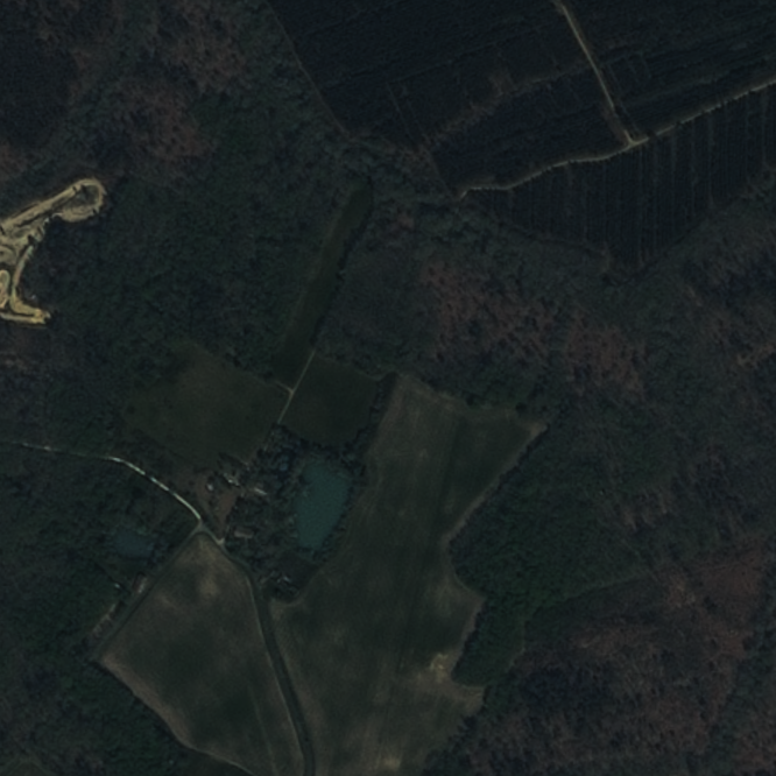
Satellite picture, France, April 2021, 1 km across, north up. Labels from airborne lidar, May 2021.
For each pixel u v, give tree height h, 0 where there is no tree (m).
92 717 10
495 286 8
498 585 21
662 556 18
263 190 21
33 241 0
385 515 0
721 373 17
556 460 16
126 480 13
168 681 0
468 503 0
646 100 11
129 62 14
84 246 17
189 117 11
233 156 18
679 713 13
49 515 25
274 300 20
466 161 11
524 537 23
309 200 22
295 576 6
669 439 22
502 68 10
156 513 10
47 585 18
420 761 0
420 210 14
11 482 22
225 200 24
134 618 0
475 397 14
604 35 13
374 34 13
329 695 0
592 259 19
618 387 9
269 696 0
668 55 11
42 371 12
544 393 23
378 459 0
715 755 17
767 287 22
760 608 6
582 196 12
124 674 0
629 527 17
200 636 0
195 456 0
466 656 12
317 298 0
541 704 20
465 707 0
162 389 0
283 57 15
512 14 14
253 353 17
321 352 17
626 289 17
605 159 0
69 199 0
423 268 14
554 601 13
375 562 0
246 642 0
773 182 20
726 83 10
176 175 12
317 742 0
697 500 18
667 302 21
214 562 0
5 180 10
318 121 23
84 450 21
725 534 19
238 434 0
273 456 11
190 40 9
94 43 20
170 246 17
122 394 15
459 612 0
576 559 16
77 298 19
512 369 16
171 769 14
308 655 0
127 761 18
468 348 11
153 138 13
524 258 14
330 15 13
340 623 0
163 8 17
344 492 0
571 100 12
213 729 0
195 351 0
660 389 17
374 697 0
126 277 19
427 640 0
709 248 16
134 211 15
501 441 0
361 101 14
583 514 18
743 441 17
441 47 12
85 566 17
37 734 15
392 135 11
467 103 12
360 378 0
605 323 10
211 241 23
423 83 12
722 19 11
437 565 0
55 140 15
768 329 14
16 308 0
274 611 0
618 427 13
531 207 13
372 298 14
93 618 16
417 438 0
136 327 27
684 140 11
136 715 20
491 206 12
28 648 19
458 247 19
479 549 18
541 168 12
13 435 16
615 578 14
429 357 10
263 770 0
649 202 8
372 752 0
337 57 9
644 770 20
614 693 20
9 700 19
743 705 12
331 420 0
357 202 0
